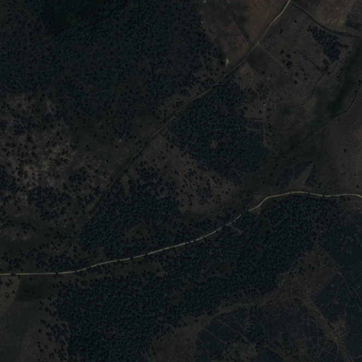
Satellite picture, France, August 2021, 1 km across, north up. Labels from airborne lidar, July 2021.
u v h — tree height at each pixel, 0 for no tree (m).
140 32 10
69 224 0
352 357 0
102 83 0
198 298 9
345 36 0
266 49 0
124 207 7
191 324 0
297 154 0
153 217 17
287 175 0
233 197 0
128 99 0
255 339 10
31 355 0
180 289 8
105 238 9
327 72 8
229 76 8
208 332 0
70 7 12
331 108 0
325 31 7
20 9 0
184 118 7
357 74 0
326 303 0
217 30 0
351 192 0
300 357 0
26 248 0
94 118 0
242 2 0
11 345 0
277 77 0
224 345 7
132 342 11
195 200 0
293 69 0
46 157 0
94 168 0
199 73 0
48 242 0
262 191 0
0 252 0
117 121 0
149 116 0
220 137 8
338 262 0
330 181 0
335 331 0
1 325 0
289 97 0
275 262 11
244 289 12
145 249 9
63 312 11
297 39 0
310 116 0
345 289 0
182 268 11
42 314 0
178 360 0
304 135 0
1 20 0
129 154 0
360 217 0
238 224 11
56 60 9
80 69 0
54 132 0
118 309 13
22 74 13
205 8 0
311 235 8
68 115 0
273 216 11
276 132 0
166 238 15
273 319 0
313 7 0
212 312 10
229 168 10
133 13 6
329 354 0
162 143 0
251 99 0
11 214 0
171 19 0
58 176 6
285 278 0
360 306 0
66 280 0
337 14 0
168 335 0
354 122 0
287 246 13
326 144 0
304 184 0
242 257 8
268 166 0
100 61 0
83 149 0
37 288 0
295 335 0
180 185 0
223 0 0
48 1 10
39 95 0
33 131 0
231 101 12
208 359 0
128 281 9
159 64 8
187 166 0
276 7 0
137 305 10
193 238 6
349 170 0
